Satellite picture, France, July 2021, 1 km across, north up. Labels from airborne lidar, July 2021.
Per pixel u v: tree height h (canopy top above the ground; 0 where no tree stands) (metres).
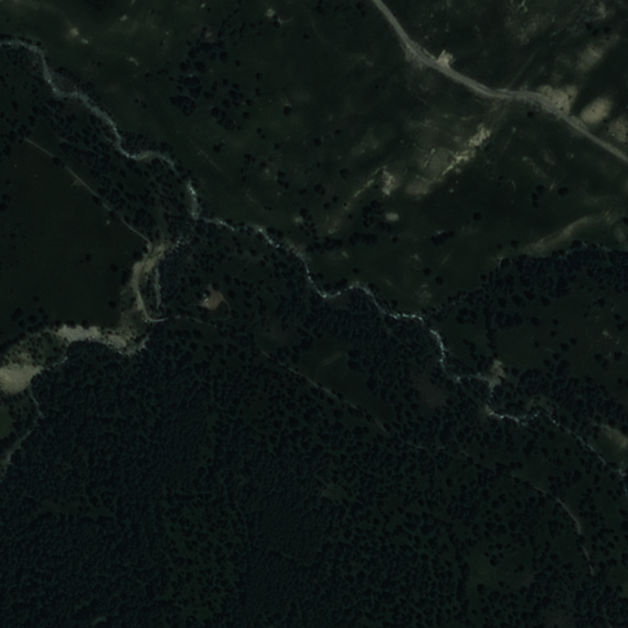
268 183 0
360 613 21
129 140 13
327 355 0
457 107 0
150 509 19
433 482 13
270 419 10
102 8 0
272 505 28
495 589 0
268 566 29
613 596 25
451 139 0
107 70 0
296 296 16
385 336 22
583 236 0
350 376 0
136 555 26
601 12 0
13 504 27
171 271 16
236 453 29
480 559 0
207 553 12
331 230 0
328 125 0
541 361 0
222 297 0
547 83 0
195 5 0
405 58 0
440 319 24
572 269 21
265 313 17
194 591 7
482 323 0
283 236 21
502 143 0
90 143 24
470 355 0
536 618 16
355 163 0
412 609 16
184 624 22
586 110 0
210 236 13
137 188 0
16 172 0
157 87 0
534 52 0
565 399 18
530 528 7
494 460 0
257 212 0
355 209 0
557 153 0
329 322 30
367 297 14
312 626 21
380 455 16
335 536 17
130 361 14
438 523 24
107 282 0
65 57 0
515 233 0
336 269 0
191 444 26
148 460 23
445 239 22
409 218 0
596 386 16
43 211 0
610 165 0
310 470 24
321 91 0
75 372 17
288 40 0
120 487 25
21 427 22
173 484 24
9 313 0
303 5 0
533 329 0
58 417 22
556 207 0
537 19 0
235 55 0
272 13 0
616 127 0
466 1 0
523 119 0
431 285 0
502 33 0
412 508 0
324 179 0
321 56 0
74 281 0
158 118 0
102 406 23
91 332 0
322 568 23
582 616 15
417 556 22
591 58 0
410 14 0
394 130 0
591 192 0
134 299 8
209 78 0
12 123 15
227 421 13
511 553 7
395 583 23
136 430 23
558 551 0
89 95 8
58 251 0
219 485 24
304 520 32
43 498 17
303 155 0
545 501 20
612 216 0
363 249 0
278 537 27
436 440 23
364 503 11
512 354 0
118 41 0
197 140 0
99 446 10
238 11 5
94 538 21
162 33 0
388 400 18
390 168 0
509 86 0
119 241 0
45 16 0
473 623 13
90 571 19
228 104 17
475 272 0
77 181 0
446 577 20
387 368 27
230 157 0
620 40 0
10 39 16
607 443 0
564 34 0
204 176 0
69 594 13
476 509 18
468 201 0
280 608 24
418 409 23
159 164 18
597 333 0
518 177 0
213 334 0
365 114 0
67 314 0
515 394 10
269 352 0
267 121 0
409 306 0
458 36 0
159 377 29
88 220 0
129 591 20
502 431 15
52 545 18
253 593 25
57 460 19
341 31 0
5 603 20
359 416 21
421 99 0
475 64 0
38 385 8
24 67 7
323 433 14
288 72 0
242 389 8
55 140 0
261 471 31
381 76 0
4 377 0
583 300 0
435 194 0
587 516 17
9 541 10
